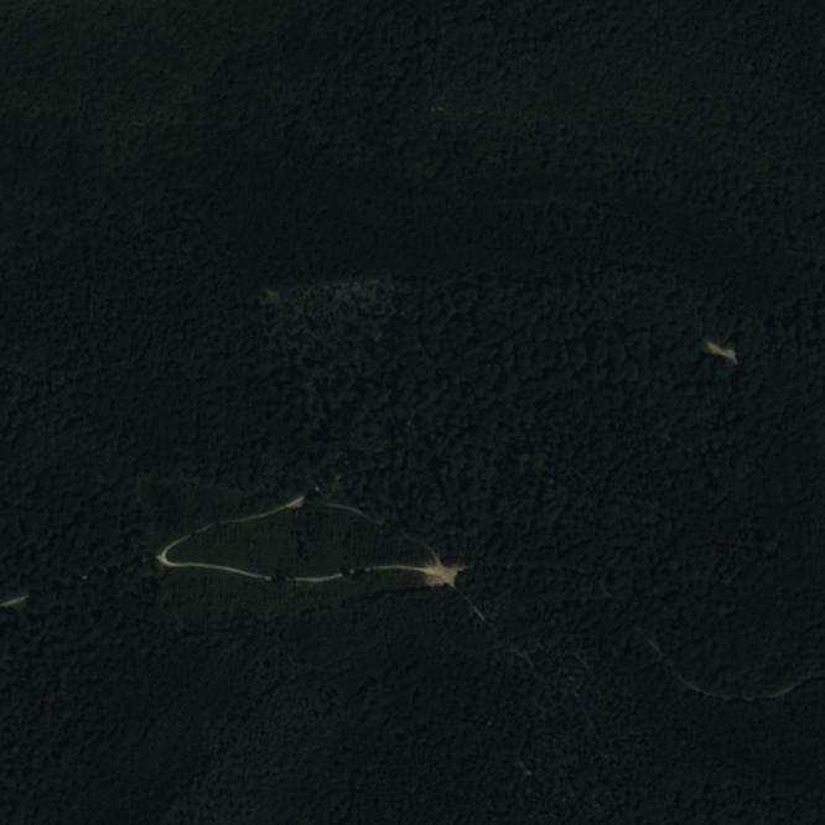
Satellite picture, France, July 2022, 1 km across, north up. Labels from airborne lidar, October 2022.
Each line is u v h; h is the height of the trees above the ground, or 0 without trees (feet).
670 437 42
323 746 60
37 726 91
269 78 87
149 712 58
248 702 65
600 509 77
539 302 112
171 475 89
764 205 69
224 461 78
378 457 32
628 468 63
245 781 86
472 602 32
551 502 96
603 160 82
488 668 58
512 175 34
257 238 61
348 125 75
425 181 45
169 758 46
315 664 24
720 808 95
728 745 59
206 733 84
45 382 70
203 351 88
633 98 44
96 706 80
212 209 59
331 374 95
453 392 110
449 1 93
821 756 41
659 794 81
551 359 101
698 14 88
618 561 73
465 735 74
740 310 50
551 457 76
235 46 63
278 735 99
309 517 29
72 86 51
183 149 92
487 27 101
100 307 86
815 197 81
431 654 52
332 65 87
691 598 75
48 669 82
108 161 54
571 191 41
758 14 73
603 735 74
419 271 51
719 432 136
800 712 45
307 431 109
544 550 78
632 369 116
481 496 102
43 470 69
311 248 58
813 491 66
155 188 83
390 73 73
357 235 55
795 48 73
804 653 82
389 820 93
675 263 60
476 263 46
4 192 33
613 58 51
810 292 20
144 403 68
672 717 48
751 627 85
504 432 98
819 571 83
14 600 0
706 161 64
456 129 70
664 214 44
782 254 37
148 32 37
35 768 79
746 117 77
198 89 67
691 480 97
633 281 107
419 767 93
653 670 76
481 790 92
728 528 65
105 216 68
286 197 57
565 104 49
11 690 94
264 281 67
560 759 97
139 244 78
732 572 84
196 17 70
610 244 50
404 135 81
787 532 109
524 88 59
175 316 78
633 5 92
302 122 83
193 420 74
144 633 79
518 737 101
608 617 82
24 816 84
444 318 114
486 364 117
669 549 72
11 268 79
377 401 119
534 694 80
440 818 78
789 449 111
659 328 102
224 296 98
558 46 64
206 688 55
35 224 52
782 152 79
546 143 67
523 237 55
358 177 58
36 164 69
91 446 84
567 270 39
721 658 83
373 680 35
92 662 65
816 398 92
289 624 21
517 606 89
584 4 79
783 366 120
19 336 72
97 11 30
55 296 76
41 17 40
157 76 58
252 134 69
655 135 51
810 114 64
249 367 69
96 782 71
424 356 123
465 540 95
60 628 89
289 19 64
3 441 76
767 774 52
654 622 79
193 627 22
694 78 45
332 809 59
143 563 83
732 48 68
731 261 31
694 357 56
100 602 87
